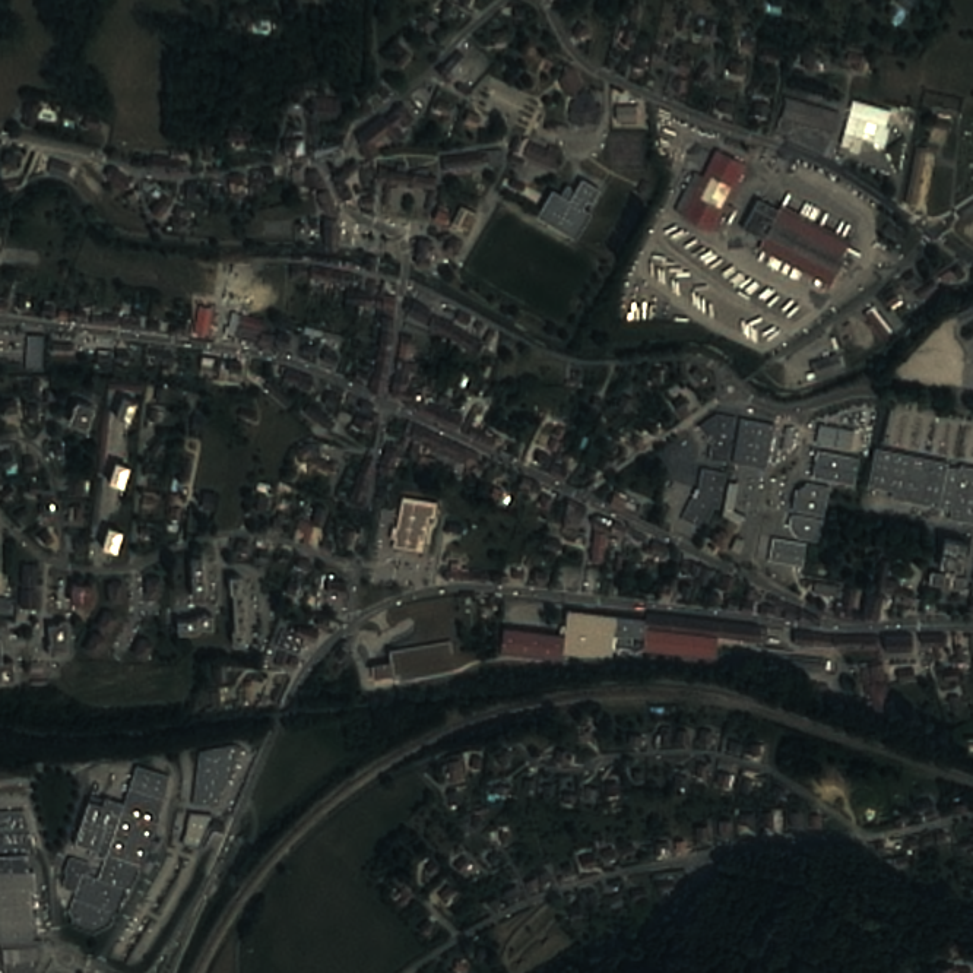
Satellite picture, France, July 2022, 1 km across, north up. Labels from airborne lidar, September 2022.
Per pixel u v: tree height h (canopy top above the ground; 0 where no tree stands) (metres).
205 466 0
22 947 0
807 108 0
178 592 0
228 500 0
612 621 0
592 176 0
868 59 11
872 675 0
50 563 0
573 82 0
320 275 0
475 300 0
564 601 0
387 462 0
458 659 0
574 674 19
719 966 30
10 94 0
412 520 0
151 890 0
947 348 0
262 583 6
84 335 0
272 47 19
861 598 0
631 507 0
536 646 0
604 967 33
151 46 0
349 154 0
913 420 0
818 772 14
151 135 0
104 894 0
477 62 0
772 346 0
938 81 0
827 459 0
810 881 23
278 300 0
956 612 18
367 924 0
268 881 0
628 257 0
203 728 15
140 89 0
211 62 28
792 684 22
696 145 0
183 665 0
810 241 0
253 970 0
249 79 34
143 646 0
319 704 15
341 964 0
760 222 0
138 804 0
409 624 0
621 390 8
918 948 22
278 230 0
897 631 0
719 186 0
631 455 0
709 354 0
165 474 8
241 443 6
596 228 0
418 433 0
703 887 25
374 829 0
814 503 0
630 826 6
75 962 0
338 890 0
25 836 0
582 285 0
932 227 0
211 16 18
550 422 0
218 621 0
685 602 7
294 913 0
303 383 0
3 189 15
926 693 12
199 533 8
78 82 26
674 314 0
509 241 0
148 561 0
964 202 0
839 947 26
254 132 8
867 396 0
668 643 0
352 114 20
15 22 30
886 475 0
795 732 9
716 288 0
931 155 0
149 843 0
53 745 20
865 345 0
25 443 0
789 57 7
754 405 0
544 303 0
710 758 10
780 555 0
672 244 0
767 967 28
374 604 0
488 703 8
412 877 15
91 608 0
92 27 21
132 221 0
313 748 0
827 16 12
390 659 0
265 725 19
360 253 8
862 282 0
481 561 0
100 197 0
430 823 8
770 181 0
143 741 18
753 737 7
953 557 0
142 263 0
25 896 0
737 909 27
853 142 0
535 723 14
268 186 9
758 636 0
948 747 28
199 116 14
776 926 23
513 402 9
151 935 0
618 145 0
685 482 0
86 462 18
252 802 0
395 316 0
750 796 7
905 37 11
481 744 15
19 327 7
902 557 8
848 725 20
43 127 9
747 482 0
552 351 0
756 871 22
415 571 0
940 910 29
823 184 0
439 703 11
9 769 12
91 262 0
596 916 6
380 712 17
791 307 0
